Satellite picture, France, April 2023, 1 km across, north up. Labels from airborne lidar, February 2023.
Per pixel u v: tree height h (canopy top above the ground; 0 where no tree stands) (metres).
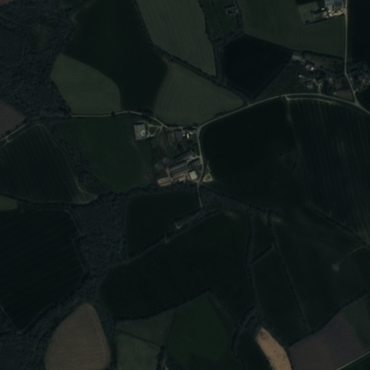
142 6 0
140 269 0
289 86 0
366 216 0
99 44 0
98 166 0
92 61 0
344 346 0
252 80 0
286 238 0
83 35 0
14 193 0
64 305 15
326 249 0
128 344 0
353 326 0
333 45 0
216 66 11
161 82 0
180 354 0
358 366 0
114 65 0
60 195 0
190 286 0
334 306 0
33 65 7
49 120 13
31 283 0
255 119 0
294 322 0
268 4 0
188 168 0
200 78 0
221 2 0
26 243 0
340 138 0
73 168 0
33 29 0
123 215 12
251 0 0
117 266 0
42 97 11
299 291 0
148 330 0
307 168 0
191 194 0
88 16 0
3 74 17
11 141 0
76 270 0
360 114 0
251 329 10
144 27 8
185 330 0
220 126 0
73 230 0
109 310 0
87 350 0
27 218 0
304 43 0
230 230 0
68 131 0
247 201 0
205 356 0
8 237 0
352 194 0
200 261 0
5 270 0
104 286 0
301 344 0
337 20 0
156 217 0
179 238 0
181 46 0
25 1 10
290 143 0
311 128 0
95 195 0
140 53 0
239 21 12
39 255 0
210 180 0
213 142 0
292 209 0
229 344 0
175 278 0
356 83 11
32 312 0
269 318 0
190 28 0
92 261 16
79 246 12
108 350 0
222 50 0
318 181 0
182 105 0
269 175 0
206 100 0
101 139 0
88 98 0
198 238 0
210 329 0
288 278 11
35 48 0
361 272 0
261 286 0
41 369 8
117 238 10
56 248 0
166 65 0
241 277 0
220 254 0
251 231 12
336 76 8
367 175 0
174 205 0
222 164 0
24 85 8
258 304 11
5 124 0
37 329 8
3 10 7
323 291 0
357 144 0
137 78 0
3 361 12
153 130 0
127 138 0
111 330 12
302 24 0
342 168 0
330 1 0
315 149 0
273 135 0
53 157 0
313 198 0
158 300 0
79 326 0
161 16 0
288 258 0
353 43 0
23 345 16
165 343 0
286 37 0
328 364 0
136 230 0
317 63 0
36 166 0
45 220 0
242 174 0
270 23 0
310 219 0
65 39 9
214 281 0
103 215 14
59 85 0
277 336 11
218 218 0
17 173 0
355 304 0
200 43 0
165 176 0
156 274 0
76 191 0
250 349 0
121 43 0
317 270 0
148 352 0
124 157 0
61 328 0
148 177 0
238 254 0
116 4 0
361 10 0
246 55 0
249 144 0
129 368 0
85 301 9
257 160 0
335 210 0
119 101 0
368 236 0
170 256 0
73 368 0
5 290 0
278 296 0
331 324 0
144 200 0
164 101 0
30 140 0
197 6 0
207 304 0
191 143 7
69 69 0
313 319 0
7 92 10
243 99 12
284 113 0
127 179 0
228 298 0
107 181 0
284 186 0
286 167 0
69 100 0
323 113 0
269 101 0
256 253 0
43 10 17
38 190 0
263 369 0
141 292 0
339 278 0
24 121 7
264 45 0
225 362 0
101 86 0
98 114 0
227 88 13
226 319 0
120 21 0
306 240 0
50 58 6
